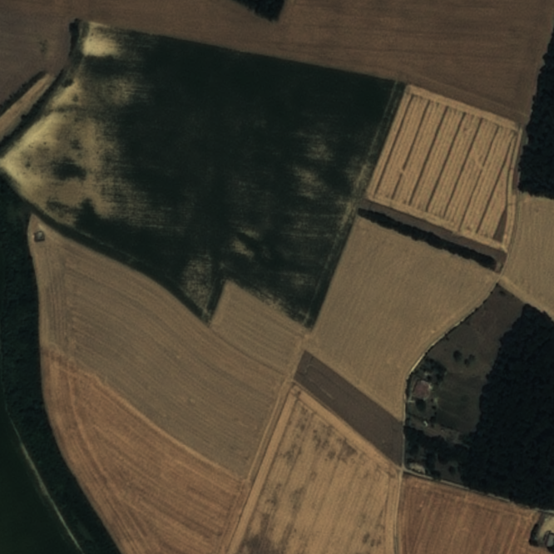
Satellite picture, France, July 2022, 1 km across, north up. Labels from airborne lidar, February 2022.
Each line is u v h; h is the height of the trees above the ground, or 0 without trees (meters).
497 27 0
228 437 0
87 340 0
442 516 0
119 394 0
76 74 0
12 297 8
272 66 0
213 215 0
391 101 0
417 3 0
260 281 0
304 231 0
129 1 0
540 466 20
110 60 0
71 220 0
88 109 0
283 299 0
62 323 0
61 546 0
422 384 0
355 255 0
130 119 0
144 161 0
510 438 25
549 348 23
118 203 0
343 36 0
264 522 0
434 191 0
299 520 0
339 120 0
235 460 0
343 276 0
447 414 0
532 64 0
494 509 0
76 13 0
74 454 0
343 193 0
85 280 0
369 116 0
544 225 0
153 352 0
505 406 26
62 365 0
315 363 0
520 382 23
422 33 0
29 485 0
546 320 19
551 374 22
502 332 0
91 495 0
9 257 7
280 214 0
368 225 0
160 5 0
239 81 0
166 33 0
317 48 0
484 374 0
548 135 21
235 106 0
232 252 0
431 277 0
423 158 0
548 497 16
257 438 0
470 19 0
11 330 6
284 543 0
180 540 0
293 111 0
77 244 0
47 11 0
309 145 0
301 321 0
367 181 0
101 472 0
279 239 0
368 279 0
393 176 0
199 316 0
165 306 0
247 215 0
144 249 0
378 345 0
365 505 0
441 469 0
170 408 0
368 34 0
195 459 0
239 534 0
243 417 0
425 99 0
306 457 0
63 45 0
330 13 0
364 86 0
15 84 0
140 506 0
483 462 23
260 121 0
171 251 0
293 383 0
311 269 0
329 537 0
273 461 0
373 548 0
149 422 0
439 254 0
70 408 0
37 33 0
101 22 0
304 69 0
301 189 0
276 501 0
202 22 0
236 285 0
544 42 0
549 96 21
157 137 0
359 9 0
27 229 0
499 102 0
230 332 0
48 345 0
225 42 0
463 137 0
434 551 0
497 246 0
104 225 0
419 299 0
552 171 22
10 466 0
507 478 22
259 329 0
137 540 0
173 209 0
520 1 0
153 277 0
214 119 0
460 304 0
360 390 0
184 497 0
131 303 0
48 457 6
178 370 0
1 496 0
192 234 0
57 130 0
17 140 0
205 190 0
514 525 0
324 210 0
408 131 0
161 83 0
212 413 0
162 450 0
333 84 0
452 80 0
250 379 0
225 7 0
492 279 0
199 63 0
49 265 0
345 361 0
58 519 0
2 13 0
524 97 0
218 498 0
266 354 0
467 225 0
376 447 0
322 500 0
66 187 0
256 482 0
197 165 0
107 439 0
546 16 0
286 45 0
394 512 0
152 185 0
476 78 0
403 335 0
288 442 0
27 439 8
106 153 0
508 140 0
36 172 0
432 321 0
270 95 0
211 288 0
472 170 0
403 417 0
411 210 0
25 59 0
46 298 0
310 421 0
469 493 0
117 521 0
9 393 7
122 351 0
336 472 0
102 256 0
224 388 0
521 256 0
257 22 0
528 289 0
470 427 0
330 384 0
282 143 0
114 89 0
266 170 0
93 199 0
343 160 0
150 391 0
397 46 0
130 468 0
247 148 0
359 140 0
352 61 0
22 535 0
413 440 11
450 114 0
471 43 0
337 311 0
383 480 0
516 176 0
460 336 0
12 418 7
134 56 0
